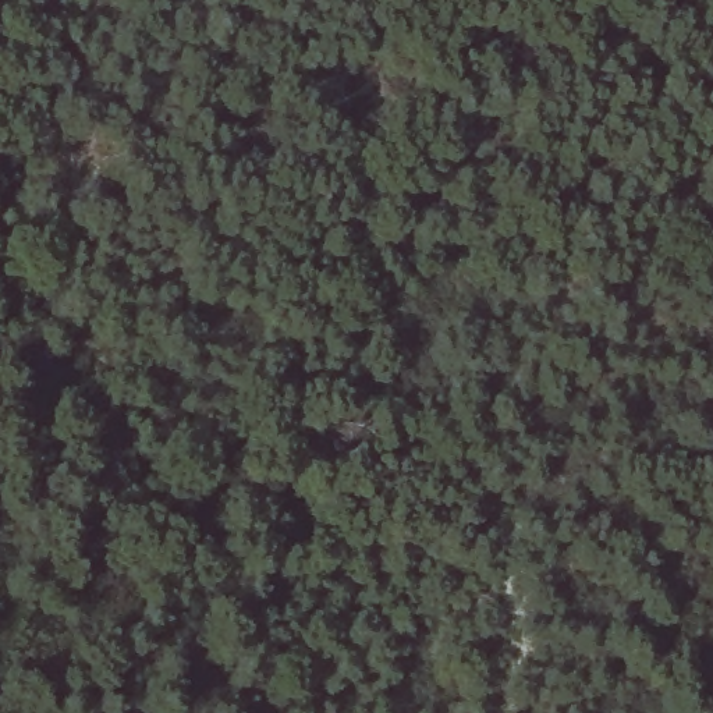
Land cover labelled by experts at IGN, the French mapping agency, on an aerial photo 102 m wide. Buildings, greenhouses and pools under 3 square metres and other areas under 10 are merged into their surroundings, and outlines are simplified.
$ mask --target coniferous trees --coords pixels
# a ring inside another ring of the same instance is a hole
[[[0,713],[713,713],[713,0],[0,0]]]

